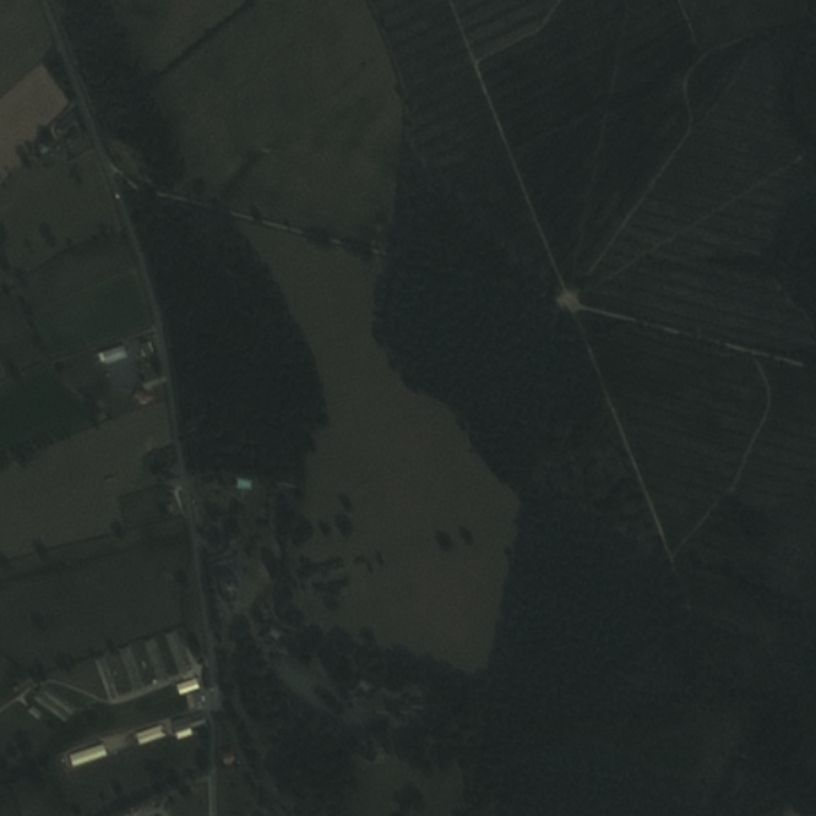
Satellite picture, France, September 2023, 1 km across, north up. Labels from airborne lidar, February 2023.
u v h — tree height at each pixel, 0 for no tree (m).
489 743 17
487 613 0
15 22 0
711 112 0
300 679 0
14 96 0
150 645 0
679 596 26
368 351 0
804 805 12
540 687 21
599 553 31
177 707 0
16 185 0
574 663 23
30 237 0
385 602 0
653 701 21
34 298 0
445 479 0
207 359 17
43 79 0
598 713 28
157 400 0
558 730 9
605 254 0
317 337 0
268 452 25
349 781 20
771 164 0
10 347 0
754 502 0
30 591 0
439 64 0
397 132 0
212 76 0
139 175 0
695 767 0
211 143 0
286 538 13
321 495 0
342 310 0
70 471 0
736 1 0
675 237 0
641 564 29
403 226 23
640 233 0
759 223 0
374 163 0
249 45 0
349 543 0
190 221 14
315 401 13
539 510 24
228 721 8
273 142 0
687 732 0
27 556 0
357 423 0
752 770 7
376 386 0
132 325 0
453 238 27
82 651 0
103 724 0
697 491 0
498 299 23
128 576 0
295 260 0
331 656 19
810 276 9
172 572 0
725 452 0
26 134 0
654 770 0
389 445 0
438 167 0
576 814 25
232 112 0
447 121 0
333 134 0
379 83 0
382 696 0
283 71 0
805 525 0
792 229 22
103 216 0
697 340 10
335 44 0
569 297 0
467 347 27
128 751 0
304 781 23
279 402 19
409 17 0
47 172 0
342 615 0
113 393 0
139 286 0
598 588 28
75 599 0
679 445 0
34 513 0
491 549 0
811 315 20
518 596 24
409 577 0
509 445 26
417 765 17
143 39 0
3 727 0
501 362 17
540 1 0
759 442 0
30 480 0
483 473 0
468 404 21
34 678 12
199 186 8
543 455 0
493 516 0
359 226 0
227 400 18
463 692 24
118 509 0
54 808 0
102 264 0
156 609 0
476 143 0
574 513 25
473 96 0
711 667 16
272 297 20
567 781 18
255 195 0
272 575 23
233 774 0
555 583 20
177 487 0
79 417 0
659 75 9
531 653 25
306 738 29
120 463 0
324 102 0
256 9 0
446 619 0
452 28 0
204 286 14
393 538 0
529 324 19
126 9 0
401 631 0
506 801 24
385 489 0
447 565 0
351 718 0
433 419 0
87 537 0
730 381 0
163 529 0
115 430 0
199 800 0
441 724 25
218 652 10
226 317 15
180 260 15
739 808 6
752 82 0
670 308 0
